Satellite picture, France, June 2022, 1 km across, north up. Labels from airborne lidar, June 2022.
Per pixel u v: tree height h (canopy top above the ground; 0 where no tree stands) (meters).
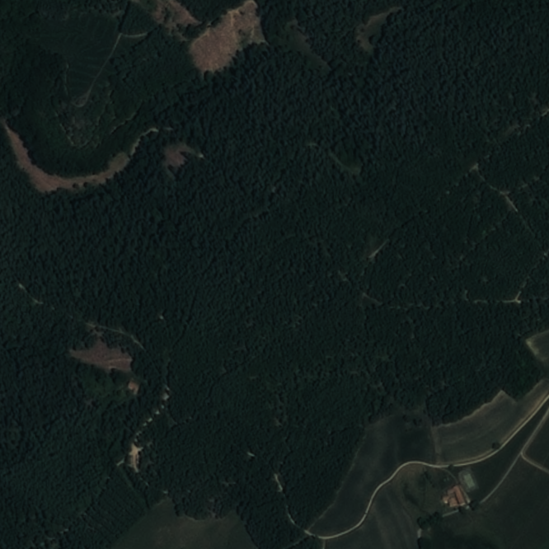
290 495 20
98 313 15
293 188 23
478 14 13
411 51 21
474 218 11
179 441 14
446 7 15
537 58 13
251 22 0
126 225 23
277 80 30
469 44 19
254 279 12
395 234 14
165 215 24
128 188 23
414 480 0
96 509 17
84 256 29
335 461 18
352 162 6
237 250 12
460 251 13
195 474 19
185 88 34
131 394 9
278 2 30
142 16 32
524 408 0
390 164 11
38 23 15
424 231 12
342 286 18
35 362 36
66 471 27
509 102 14
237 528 0
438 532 0
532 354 21
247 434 18
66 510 28
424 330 22
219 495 16
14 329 24
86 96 0
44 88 20
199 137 26
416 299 15
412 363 12
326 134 16
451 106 23
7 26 16
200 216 21
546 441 0
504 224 10
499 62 21
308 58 16
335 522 0
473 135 15
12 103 20
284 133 19
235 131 18
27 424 29
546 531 0
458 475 0
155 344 15
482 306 15
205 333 10
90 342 23
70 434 26
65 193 27
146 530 0
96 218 29
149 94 28
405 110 25
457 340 19
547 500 0
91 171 23
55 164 15
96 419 29
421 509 0
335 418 15
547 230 11
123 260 27
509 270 13
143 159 19
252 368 11
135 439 14
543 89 12
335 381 11
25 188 20
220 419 20
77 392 22
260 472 16
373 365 22
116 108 14
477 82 6
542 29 15
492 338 22
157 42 28
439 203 13
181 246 19
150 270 21
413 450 0
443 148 11
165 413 7
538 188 13
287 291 16
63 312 14
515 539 0
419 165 12
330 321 21
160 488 14
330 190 13
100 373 20
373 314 16
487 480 0
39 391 28
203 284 17
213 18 18
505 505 0
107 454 13
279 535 18
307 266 13
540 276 15
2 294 15
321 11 18
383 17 0
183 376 12
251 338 17
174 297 19
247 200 11
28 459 19
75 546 27
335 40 11
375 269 13
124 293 29
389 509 0
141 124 24
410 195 15
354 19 7
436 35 17
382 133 27
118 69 24
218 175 30
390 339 16
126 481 16
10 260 25
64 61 8
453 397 16
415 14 7
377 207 15
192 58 24
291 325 16
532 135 11
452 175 12
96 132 14
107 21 7
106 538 16
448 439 0
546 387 0
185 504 16
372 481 0
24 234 27
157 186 18
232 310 6
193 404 16
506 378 19
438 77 20
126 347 16
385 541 0
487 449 0
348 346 19
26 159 0
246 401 20
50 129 10
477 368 14
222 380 19
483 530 0
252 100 23
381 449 0
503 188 12
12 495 23
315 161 11
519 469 0
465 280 13
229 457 24
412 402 18
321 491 23
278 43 6
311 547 19
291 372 17
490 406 0
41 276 27
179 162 0
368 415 13
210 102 26
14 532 23
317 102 27
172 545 0
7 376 21
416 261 14
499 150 15
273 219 14
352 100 27
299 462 16
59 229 31
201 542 0
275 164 13
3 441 23
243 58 23
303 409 22
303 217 10
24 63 24
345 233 13
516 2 6
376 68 12
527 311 8
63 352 28
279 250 12
